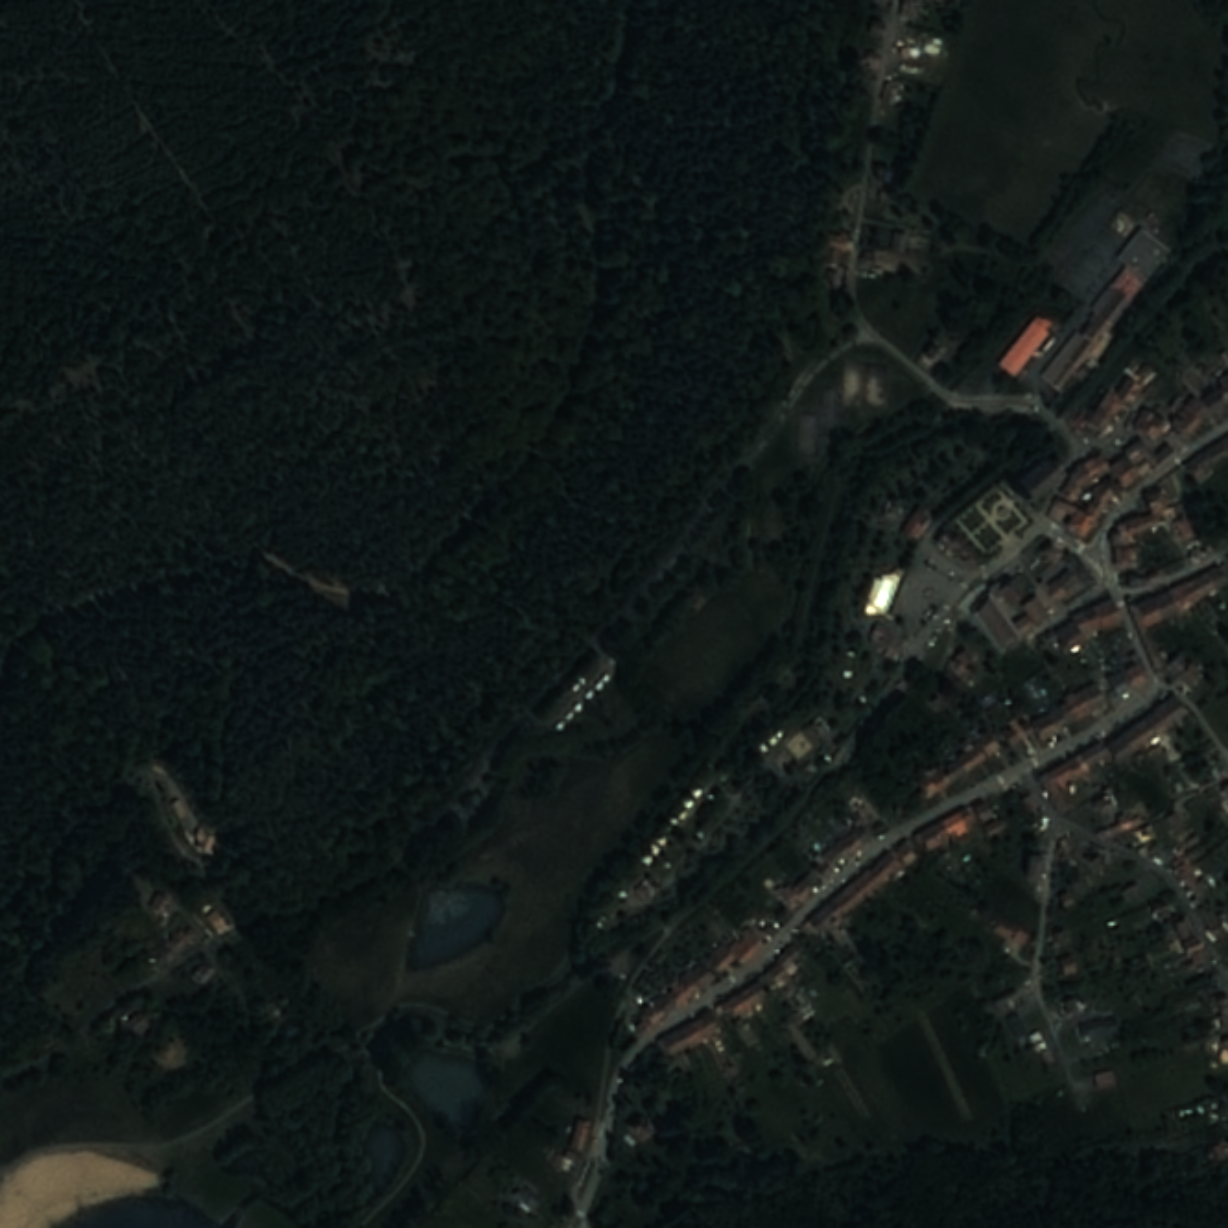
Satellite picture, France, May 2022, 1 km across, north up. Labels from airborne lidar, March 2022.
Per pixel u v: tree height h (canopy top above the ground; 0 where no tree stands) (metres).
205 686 37
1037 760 0
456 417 17
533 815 0
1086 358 0
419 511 26
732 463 15
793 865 0
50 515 25
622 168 31
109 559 28
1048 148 0
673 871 0
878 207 0
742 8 26
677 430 36
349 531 22
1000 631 0
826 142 28
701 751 19
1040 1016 0
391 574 23
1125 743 0
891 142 11
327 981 0
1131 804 0
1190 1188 8
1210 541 7
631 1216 0
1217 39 0
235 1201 0
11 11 9
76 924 33
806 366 0
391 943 0
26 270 14
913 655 0
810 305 23
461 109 25
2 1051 25
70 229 8
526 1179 0
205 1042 13
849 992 0
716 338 33
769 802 7
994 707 0
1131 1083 0
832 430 0
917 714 0
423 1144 0
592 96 28
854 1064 0
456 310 24
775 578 0
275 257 13
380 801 24
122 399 12
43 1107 0
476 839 16
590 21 28
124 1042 16
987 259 6
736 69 29
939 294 0
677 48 32
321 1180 15
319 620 28
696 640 0
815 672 13
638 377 30
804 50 18
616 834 0
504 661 38
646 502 36
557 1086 13
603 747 9
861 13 14
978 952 15
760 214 32
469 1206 0
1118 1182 14
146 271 10
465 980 0
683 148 31
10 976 26
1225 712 0
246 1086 0
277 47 12
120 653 28
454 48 13
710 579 17
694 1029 0
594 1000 0
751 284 32
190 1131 0
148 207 9
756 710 0
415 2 8
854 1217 20
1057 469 0
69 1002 0
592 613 16
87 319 15
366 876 18
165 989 0
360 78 10
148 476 24
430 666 28
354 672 24
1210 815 0
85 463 21
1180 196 0
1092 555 0
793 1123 0
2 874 17
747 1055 0
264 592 30
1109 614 0
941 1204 15
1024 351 0
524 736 19
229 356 26
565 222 31
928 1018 0
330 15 11
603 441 33
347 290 7
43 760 24
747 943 0
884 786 9
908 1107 0
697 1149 11
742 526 10
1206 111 0
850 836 0
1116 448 0
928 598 0
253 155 14
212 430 30
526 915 0
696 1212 15
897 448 14
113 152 6
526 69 26
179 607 28
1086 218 0
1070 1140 0
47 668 23
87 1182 0
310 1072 19
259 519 25
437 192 30
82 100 6
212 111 9
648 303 28
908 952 19
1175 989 0
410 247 11
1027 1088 0
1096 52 0
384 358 18
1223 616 0
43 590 30
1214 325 0
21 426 10
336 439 13
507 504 28
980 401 0
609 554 39
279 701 24
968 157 0
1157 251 0
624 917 8
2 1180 0
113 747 27
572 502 28
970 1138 0
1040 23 0
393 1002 0
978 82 0
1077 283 0
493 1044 8
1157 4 0
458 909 0
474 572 22
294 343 23
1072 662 0
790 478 0
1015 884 0
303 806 19
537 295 21
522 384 13
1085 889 0
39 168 24
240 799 25
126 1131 0
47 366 9
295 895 23
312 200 9
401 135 19
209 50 10
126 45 7
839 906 0
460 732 30
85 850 23
